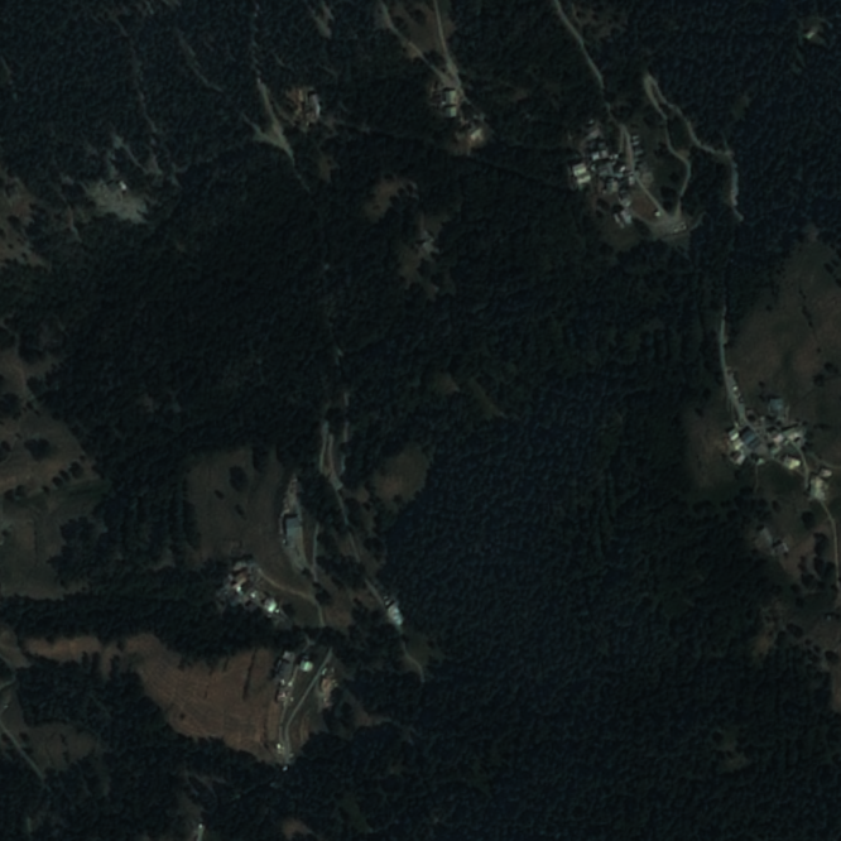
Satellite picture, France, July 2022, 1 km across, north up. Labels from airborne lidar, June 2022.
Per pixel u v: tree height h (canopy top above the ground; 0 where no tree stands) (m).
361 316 24
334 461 0
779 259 18
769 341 0
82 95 20
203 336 25
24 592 0
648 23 17
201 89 21
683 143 10
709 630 19
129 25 22
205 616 17
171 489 18
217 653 22
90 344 30
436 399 17
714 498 0
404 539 28
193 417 21
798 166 33
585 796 32
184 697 0
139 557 18
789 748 12
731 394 0
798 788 17
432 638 11
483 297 18
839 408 0
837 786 18
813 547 0
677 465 14
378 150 19
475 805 32
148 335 29
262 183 19
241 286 17
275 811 13
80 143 19
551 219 18
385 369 17
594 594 12
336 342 14
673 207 11
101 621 21
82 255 19
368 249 24
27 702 14
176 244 9
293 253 18
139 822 29
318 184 13
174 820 25
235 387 12
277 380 20
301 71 15
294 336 23
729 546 16
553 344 14
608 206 14
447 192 16
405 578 30
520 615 31
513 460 27
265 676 0
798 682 11
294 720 0
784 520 0
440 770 12
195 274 17
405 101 18
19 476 0
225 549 0
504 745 18
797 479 0
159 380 21
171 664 0
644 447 15
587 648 24
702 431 0
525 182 17
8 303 15
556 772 35
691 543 13
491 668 27
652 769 18
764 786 19
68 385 19
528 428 14
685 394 14
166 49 22
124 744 32
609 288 14
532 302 30
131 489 26
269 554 0
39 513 0
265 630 21
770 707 11
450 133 8
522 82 14
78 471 19
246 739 0
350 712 14
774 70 12
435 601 20
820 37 0
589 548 17
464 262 15
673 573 14
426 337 19
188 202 15
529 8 20
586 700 22
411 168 19
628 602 17
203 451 21
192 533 20
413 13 14
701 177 13
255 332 24
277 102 12
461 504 31
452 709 21
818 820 22
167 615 23
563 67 12
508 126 12
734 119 30
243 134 23
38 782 17
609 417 14
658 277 8
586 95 13
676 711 21
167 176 24
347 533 16
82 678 16
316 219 26
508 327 15
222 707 0
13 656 0
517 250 19
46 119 20
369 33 16
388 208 0
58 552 0
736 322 10
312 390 15
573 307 16
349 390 18
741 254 14
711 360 14
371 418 16
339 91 10
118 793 16
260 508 0
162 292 22
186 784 11
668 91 25
